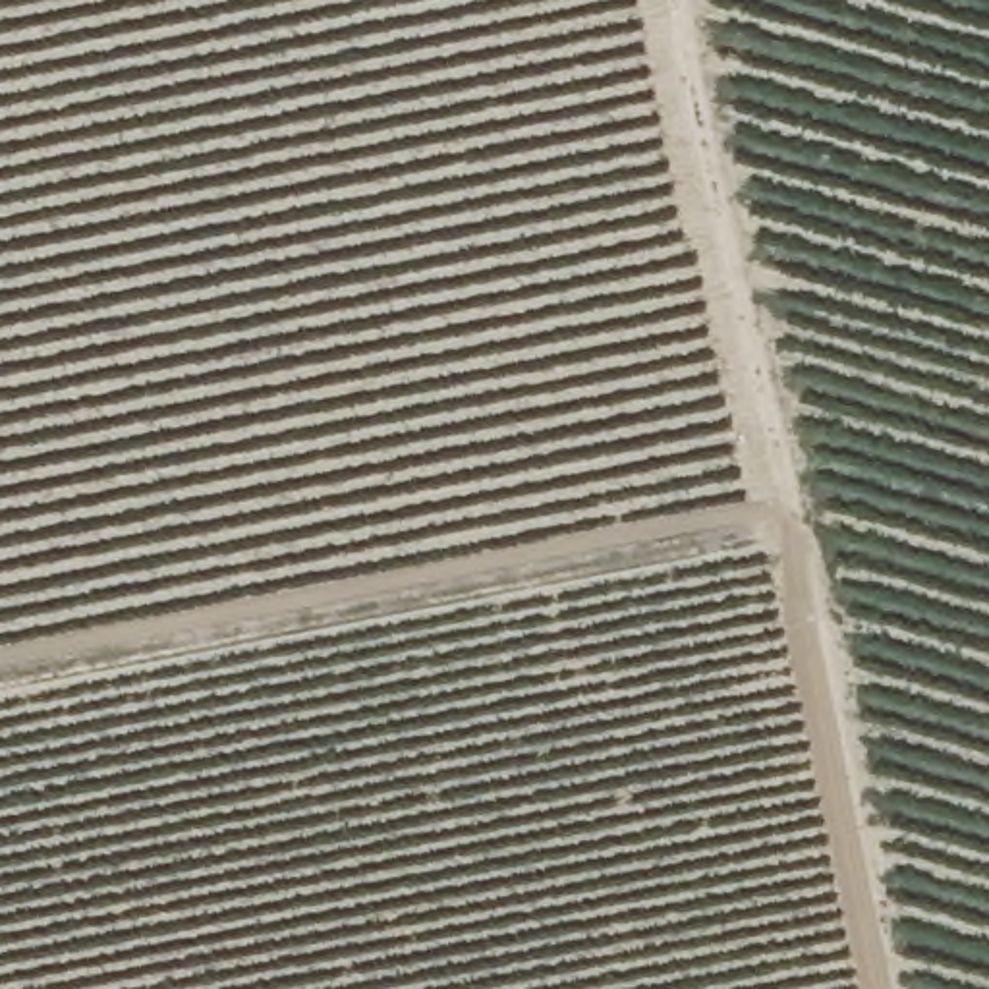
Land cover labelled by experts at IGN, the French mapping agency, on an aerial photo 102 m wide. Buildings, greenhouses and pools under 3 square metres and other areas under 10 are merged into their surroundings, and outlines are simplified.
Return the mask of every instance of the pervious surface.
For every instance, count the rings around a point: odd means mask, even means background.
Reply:
[[[162,664],[209,661],[240,649],[267,649],[282,641],[429,618],[464,607],[491,603],[495,610],[502,610],[502,603],[510,599],[560,595],[587,583],[634,579],[722,556],[769,552],[780,637],[788,645],[780,661],[784,668],[792,668],[784,684],[796,688],[796,703],[804,711],[804,742],[811,761],[807,769],[815,780],[819,815],[827,823],[827,858],[834,877],[834,900],[842,912],[842,931],[850,939],[854,989],[904,989],[900,974],[919,970],[923,958],[904,958],[892,943],[900,900],[885,892],[892,854],[885,854],[885,842],[892,842],[896,827],[873,827],[869,819],[869,765],[858,719],[862,668],[854,664],[838,626],[831,622],[834,599],[827,587],[823,549],[804,518],[804,448],[796,437],[800,394],[784,386],[784,371],[807,363],[811,352],[777,352],[777,340],[784,336],[788,321],[777,321],[769,309],[753,305],[753,290],[780,290],[788,274],[749,259],[757,216],[746,205],[738,205],[738,189],[749,182],[749,166],[726,151],[726,135],[738,127],[738,108],[715,104],[715,81],[738,73],[738,58],[719,58],[707,35],[699,31],[699,15],[711,0],[637,0],[653,97],[661,100],[672,205],[680,232],[692,240],[703,274],[703,301],[711,313],[707,336],[719,359],[722,398],[730,406],[726,433],[738,452],[738,479],[746,498],[734,506],[649,518],[634,525],[607,525],[591,533],[552,537],[537,545],[421,568],[313,583],[162,618],[0,645],[0,699]]]

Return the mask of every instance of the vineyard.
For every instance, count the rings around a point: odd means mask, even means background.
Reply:
[[[804,742],[804,711],[796,703],[796,688],[784,684],[792,668],[784,668],[780,661],[788,645],[780,637],[769,552],[722,556],[634,579],[587,583],[560,595],[510,599],[502,603],[502,610],[495,610],[491,603],[464,607],[429,618],[282,641],[267,649],[240,649],[209,661],[162,664],[0,699],[0,989],[854,989],[850,939],[842,931],[842,912],[834,900],[834,877],[827,858],[827,823],[819,815],[815,780],[807,769],[811,761]]]
[[[734,506],[746,498],[738,479],[738,452],[726,433],[730,406],[722,398],[719,359],[707,336],[711,313],[703,301],[703,274],[692,240],[680,232],[672,205],[661,100],[653,97],[637,0],[0,0],[0,645],[162,618],[313,583],[421,568],[537,545],[552,537],[591,533],[607,525],[634,525],[649,518]]]
[[[885,854],[892,854],[885,892],[900,900],[892,943],[904,958],[923,958],[919,970],[900,974],[904,989],[989,989],[989,0],[711,0],[699,15],[699,31],[707,35],[719,58],[738,58],[738,73],[715,81],[715,104],[738,108],[738,127],[726,135],[726,151],[749,166],[749,182],[738,189],[738,205],[746,205],[757,216],[749,259],[788,274],[780,290],[753,290],[753,305],[769,309],[777,321],[788,321],[784,336],[777,340],[777,352],[811,352],[807,363],[784,371],[784,386],[800,394],[796,437],[804,448],[804,518],[823,549],[827,587],[834,599],[831,622],[838,626],[854,664],[862,668],[858,719],[869,765],[869,819],[873,827],[896,827],[892,842],[885,842]]]

